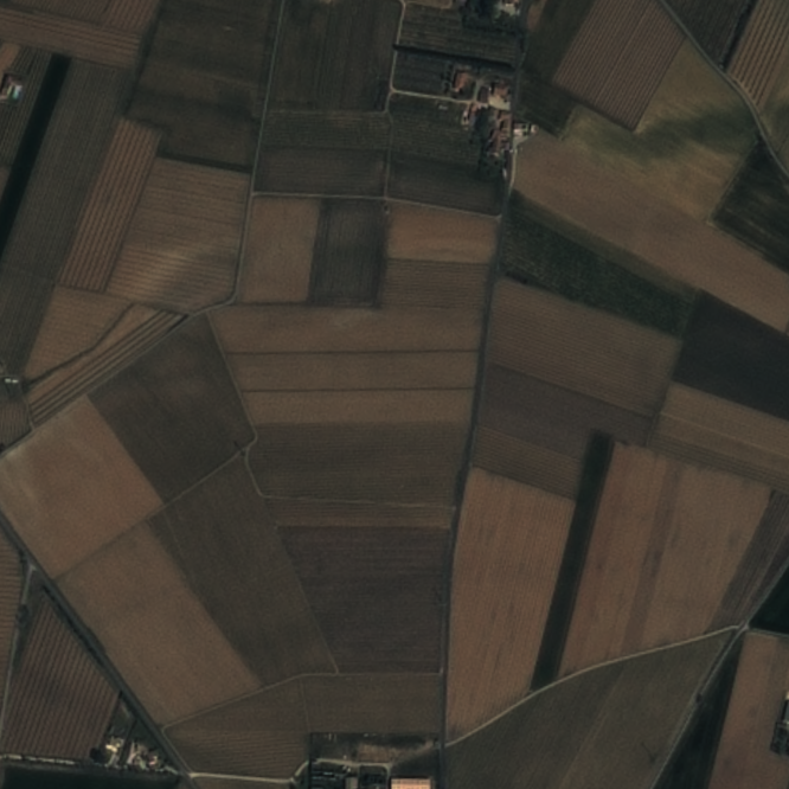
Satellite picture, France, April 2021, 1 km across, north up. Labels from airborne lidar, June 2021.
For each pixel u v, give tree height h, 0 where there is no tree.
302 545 0
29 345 0
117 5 0
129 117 0
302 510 0
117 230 0
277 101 0
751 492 0
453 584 0
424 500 0
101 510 0
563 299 0
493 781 0
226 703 0
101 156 0
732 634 0
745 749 0
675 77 0
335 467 0
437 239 0
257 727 0
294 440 0
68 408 0
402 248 0
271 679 0
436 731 0
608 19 0
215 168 0
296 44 0
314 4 0
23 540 0
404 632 0
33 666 0
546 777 0
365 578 0
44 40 0
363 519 0
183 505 0
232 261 0
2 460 0
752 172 0
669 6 0
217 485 0
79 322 0
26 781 0
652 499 0
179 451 0
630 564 0
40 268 0
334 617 0
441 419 0
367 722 0
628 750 0
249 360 0
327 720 0
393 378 0
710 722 0
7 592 0
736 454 0
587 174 0
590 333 0
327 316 0
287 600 0
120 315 0
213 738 0
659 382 0
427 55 12
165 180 0
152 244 0
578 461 0
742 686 0
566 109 0
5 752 0
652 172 0
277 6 0
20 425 0
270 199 0
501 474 0
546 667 0
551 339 0
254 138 0
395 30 0
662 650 0
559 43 0
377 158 0
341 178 0
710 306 0
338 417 0
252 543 0
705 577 0
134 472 0
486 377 0
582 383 0
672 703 0
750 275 0
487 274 0
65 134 0
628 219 0
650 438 0
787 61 0
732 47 9
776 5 0
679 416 0
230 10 0
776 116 0
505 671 0
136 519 0
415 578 0
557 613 0
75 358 0
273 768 0
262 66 0
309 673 0
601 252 0
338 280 0
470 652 0
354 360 0
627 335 0
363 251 0
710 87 0
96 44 0
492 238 0
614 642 0
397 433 0
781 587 0
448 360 0
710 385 0
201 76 0
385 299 0
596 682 0
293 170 0
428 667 0
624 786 0
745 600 0
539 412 0
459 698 0
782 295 0
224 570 0
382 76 0
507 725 0
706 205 0
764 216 0
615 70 0
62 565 0
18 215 0
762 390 0
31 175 0
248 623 0
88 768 8
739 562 0
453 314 0
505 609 0
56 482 0
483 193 0
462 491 0
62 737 0
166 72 0
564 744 0
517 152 0
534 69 0
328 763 0
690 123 0
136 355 0
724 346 0
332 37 0
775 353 0
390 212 0
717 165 0
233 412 0
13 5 0
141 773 7
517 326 0
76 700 0
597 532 0
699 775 0
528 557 0
